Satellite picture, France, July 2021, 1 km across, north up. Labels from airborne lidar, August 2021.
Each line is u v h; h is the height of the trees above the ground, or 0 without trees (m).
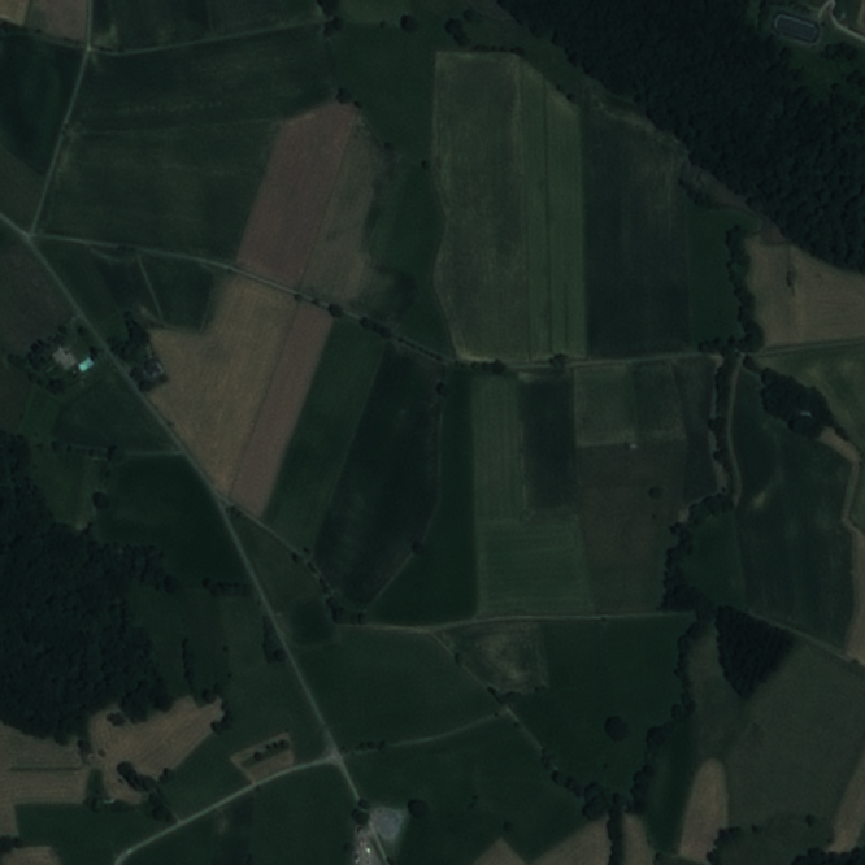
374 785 0
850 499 0
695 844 0
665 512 0
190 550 0
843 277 0
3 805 0
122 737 0
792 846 0
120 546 11
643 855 0
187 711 0
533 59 0
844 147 26
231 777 0
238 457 0
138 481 0
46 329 0
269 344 0
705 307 0
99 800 9
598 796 21
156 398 0
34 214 0
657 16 15
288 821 0
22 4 0
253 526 0
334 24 12
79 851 0
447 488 0
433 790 0
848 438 9
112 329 0
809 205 22
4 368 0
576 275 0
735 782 0
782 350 0
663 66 22
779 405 20
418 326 0
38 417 0
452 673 0
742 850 0
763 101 20
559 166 0
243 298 0
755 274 0
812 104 15
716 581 0
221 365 0
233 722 16
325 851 0
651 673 0
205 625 0
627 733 23
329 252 0
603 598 0
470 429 0
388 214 0
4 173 0
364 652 0
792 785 0
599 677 0
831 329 0
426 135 0
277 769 0
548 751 10
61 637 32
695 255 0
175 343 0
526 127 0
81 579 21
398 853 0
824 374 0
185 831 0
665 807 0
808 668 0
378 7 0
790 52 11
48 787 0
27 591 30
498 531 0
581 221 0
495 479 0
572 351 0
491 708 0
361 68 0
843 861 11
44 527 22
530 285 0
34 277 0
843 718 0
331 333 0
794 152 20
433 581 0
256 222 0
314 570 9
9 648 23
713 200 8
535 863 0
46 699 18
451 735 0
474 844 0
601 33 22
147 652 26
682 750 0
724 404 11
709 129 23
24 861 0
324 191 0
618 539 0
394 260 0
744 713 0
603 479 0
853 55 9
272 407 0
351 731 0
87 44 0
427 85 0
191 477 0
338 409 0
